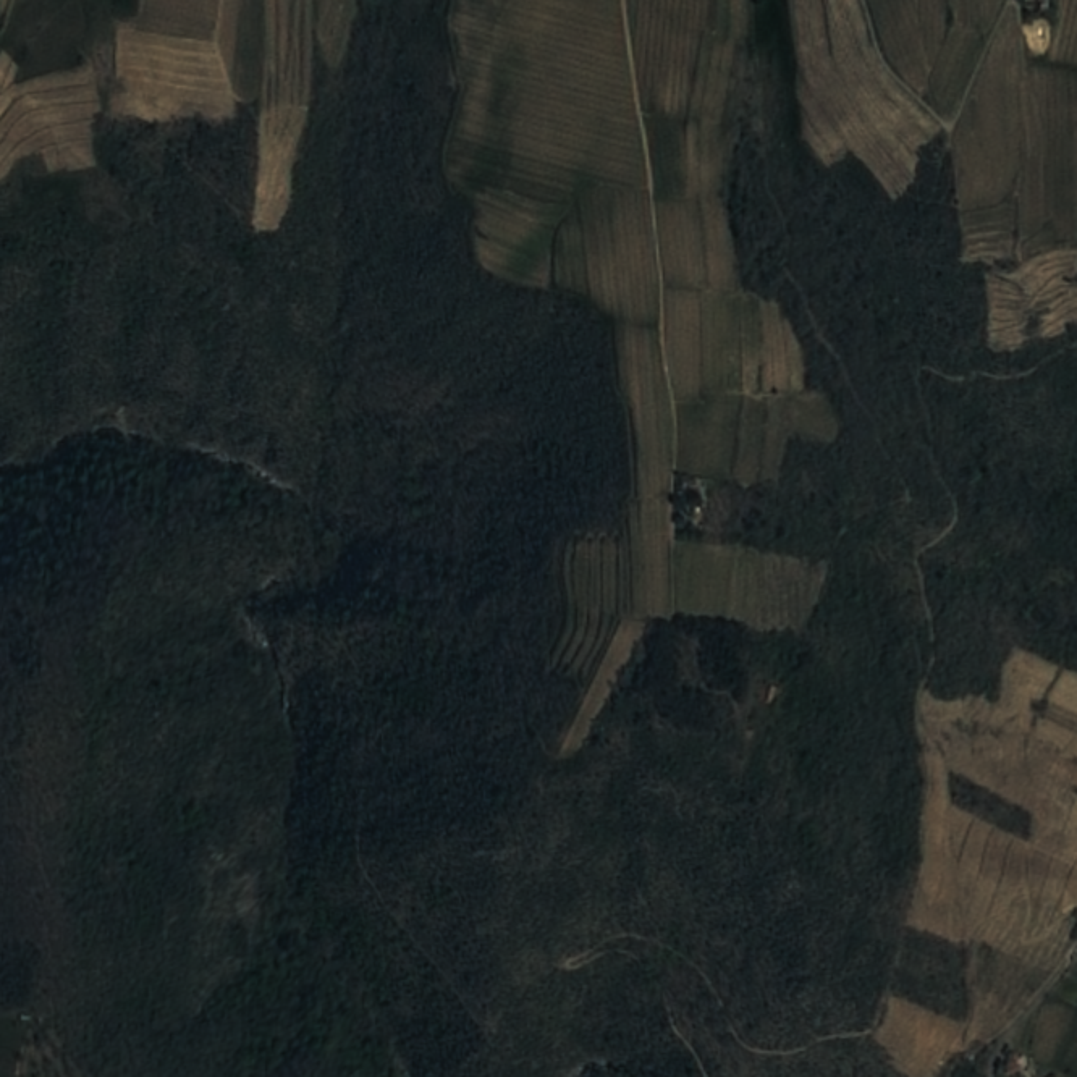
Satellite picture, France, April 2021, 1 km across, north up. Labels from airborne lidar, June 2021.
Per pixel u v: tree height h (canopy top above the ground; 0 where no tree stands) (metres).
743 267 11
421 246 5
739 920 6
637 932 10
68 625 7
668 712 12
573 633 0
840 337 15
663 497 0
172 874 7
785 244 11
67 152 0
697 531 9
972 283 9
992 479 19
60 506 11
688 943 11
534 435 7
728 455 0
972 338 8
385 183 7
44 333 8
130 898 15
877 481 12
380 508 22
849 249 19
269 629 6
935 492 9
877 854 6
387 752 6
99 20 0
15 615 9
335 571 9
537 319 10
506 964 6
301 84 0
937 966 9
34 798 9
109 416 6
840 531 15
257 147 8
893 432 9
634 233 0
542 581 10
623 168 0
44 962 10
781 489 12
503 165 0
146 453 7
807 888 9
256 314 7
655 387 0
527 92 0
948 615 6
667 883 8
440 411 18
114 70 0
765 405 0
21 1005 11
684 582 0
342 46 0
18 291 6
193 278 7
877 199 10
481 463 13
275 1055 13
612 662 0
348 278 11
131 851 9
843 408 10
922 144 0
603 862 8
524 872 8
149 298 7
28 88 0
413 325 6
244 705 6
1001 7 0
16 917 12
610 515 9
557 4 0
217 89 0
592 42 0
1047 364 11
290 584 9
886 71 0
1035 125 0
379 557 7
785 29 0
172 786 7
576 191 0
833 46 0
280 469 9
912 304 6
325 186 7
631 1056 6
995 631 12
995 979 0
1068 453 9
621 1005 16
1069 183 0
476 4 0
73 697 13
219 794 8
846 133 0
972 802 6
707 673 12
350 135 10
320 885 6
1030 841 11
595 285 0
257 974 14
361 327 10
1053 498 6
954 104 0
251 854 6
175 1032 6
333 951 14
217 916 7
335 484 14
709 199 0
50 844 11
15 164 0
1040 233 0
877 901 6
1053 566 9
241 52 0
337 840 9
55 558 12
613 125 0
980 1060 11
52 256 13
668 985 13
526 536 8
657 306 0
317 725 7
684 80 0
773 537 6
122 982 9
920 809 8
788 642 6
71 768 11
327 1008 6
